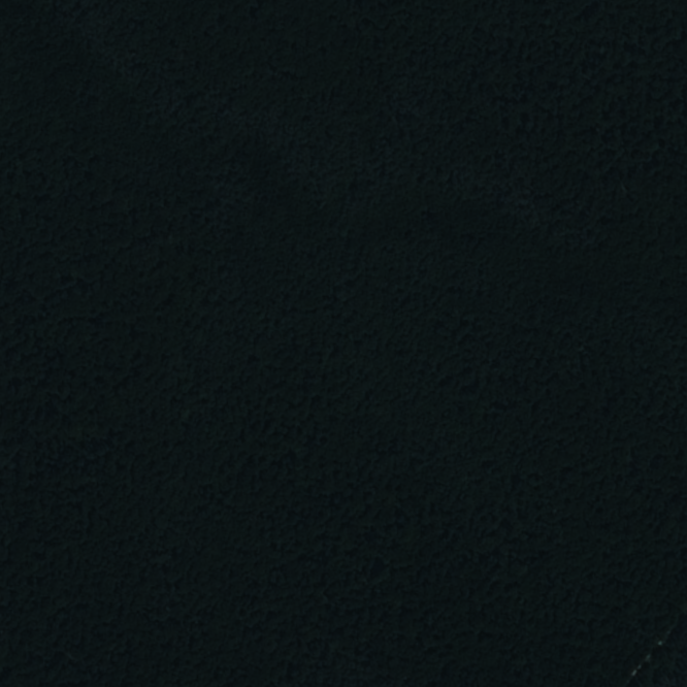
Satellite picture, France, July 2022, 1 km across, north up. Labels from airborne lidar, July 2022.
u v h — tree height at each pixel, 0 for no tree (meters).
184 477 18
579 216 26
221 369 20
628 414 26
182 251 25
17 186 24
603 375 23
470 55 24
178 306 23
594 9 29
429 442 22
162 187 24
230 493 22
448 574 24
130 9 26
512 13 22
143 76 24
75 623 27
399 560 29
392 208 21
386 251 24
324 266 21
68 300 31
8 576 19
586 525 25
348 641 25
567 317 21
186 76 27
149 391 23
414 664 24
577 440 27
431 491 25
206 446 19
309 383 22
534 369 24
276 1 27
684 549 23
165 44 26
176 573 24
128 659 27
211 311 20
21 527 27
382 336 22
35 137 21
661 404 21
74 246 30
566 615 22
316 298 21
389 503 31
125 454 25
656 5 22
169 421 20
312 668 10
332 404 22
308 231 22
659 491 26
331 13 25
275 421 25
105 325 29
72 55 22
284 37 30
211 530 26
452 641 26
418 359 23
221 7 23
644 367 22
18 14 22
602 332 22
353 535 29
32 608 23
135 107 23
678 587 24
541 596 21
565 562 22
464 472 25
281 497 24
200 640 27
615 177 24
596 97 24
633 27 27
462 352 20
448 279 25
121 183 26
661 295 20
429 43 19
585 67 26
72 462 15
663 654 9
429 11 25
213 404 17
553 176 29
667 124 25
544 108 25
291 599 29
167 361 24
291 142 30
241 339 20
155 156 24
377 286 25
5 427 19
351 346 20
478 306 23
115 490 26
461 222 25
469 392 25
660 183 21
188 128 24
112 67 22
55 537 18
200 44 27
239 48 25
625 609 27
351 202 27
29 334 30
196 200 27
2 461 24
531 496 24
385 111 24
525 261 22
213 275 21
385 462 22
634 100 25
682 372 19
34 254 29
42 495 27
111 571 23
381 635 23
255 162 25
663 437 28
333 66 21
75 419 27
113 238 32
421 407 22
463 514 27
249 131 16
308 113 29
